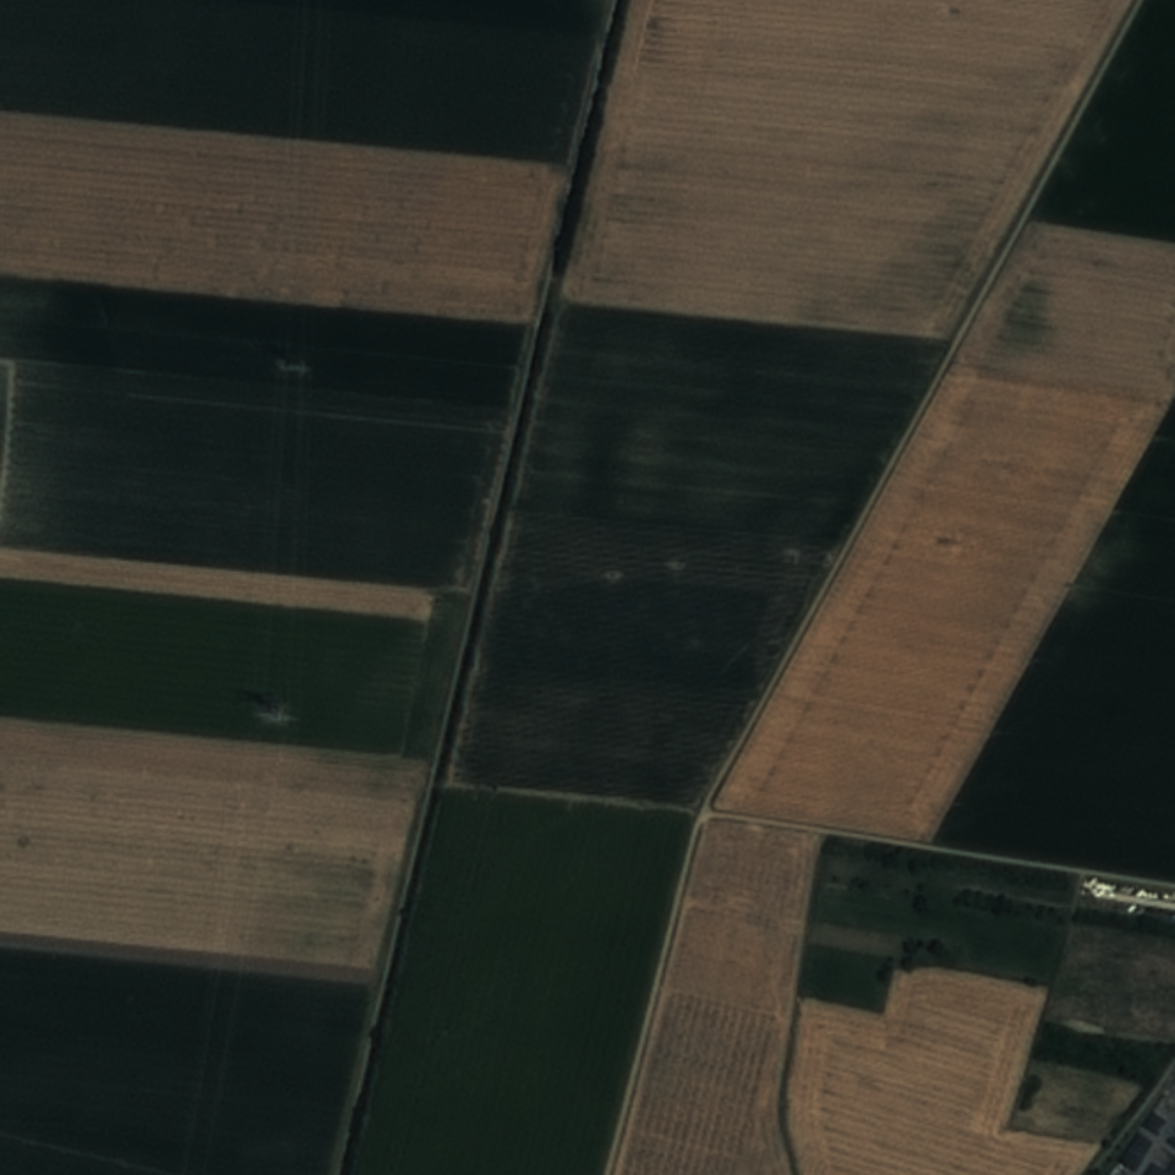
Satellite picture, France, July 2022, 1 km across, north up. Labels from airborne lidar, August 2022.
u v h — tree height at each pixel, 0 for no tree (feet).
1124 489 0
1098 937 0
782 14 0
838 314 0
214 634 0
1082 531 0
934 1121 0
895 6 0
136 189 0
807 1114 0
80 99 0
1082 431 0
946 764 0
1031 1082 0
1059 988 0
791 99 0
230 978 0
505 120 0
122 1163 0
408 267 0
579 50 0
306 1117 0
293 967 0
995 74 0
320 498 0
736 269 0
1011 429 0
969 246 0
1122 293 0
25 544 0
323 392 0
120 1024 0
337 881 0
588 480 0
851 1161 0
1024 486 0
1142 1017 0
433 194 0
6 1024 0
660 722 0
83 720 0
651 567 0
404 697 0
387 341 0
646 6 0
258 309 0
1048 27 0
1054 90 0
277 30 0
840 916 0
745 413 0
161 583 0
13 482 0
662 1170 0
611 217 0
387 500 0
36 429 0
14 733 0
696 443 0
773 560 0
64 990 0
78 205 0
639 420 0
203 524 0
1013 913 19
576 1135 0
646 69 0
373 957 0
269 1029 0
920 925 0
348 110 0
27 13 0
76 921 0
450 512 0
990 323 0
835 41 0
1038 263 0
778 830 0
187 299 0
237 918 0
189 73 0
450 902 0
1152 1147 0
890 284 0
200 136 0
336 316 0
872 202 0
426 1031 0
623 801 0
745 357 0
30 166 0
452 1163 0
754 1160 0
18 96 0
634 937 0
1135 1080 22
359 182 0
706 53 0
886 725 0
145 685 0
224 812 0
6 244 0
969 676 0
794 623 0
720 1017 0
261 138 0
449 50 0
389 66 0
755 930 0
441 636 0
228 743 0
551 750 0
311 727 0
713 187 0
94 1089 0
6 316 0
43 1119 0
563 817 0
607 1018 0
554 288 0
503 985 0
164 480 0
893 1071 0
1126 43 0
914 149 0
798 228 0
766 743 0
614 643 0
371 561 0
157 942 0
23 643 0
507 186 0
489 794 0
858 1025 0
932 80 0
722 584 0
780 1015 0
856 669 0
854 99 0
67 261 0
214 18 0
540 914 0
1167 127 0
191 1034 0
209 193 0
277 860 0
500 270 0
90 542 0
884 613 0
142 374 0
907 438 0
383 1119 0
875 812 0
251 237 0
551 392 0
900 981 0
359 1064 0
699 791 0
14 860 0
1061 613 0
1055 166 0
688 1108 0
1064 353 0
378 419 0
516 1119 0
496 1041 0
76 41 0
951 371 0
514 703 0
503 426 0
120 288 0
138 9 0
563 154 0
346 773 0
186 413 0
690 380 0
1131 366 0
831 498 0
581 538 0
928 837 0
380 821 0
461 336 0
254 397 0
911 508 0
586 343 0
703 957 0
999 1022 0
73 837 0
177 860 0
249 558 0
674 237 0
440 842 0
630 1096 0
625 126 0
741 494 0
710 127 0
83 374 0
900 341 0
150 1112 0
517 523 0
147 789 0
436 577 0
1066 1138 0
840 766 0
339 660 0
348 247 0
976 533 0
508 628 0
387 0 0
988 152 0
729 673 0
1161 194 0
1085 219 0
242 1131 0
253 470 0
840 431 0
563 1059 0
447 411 0
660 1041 0
